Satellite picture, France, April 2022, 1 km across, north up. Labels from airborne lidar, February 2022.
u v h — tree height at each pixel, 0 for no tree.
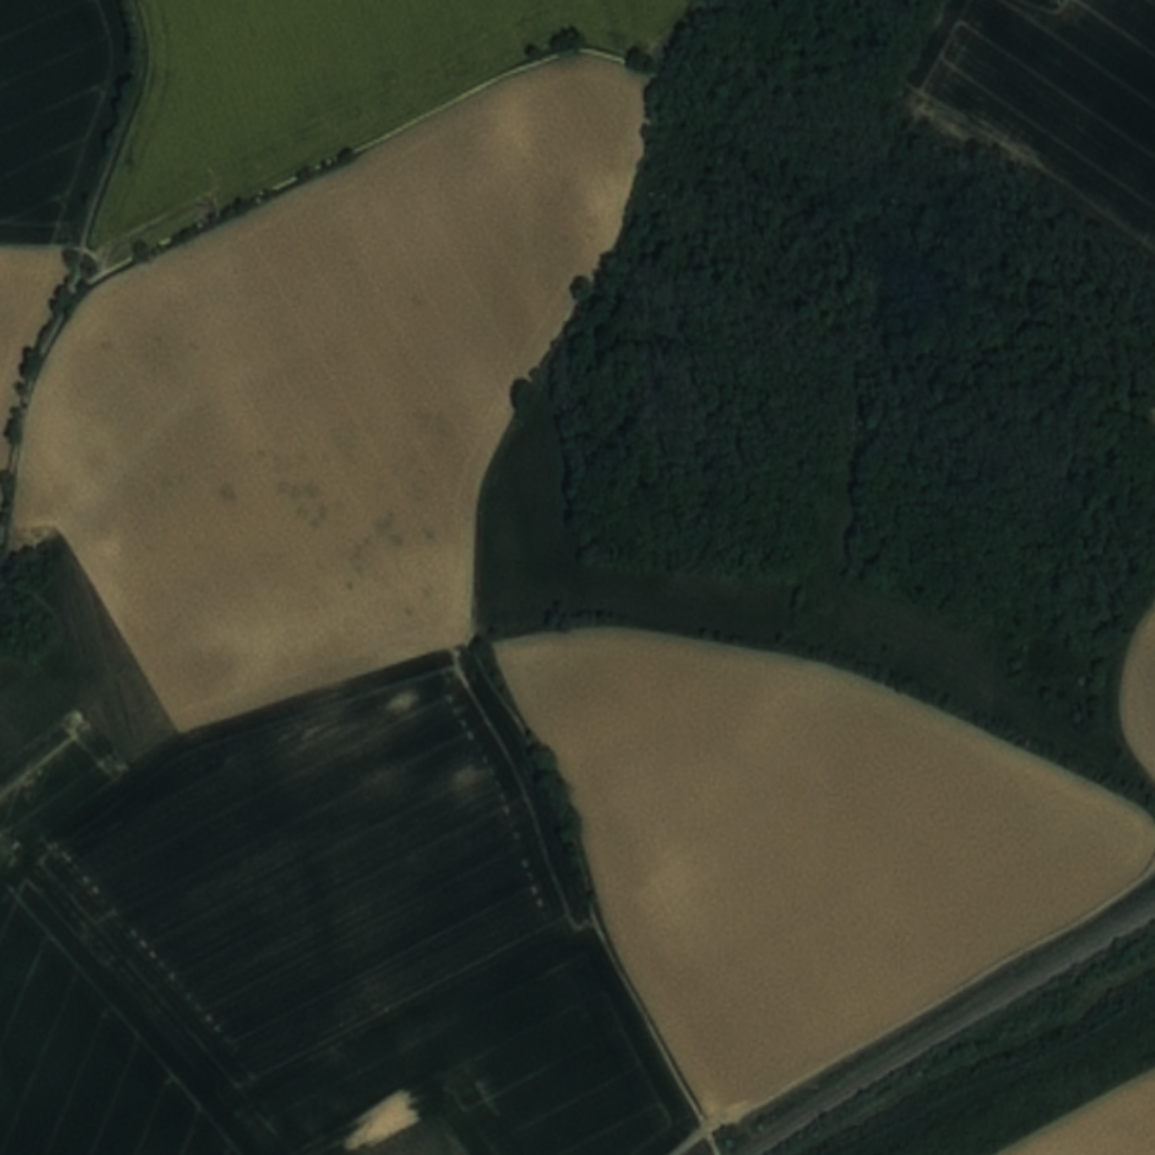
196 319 0
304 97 0
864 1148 0
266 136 0
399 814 0
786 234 10
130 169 0
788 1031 0
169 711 0
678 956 0
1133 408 12
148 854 0
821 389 32
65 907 0
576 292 11
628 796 0
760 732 0
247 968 0
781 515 21
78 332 0
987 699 0
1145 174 0
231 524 0
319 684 0
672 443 24
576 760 0
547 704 0
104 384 0
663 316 22
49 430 0
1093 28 0
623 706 0
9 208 0
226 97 0
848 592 0
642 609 0
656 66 13
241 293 0
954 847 0
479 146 0
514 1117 0
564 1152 0
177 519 0
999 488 26
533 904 0
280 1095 0
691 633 0
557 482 0
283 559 0
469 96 0
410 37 0
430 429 0
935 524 24
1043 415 25
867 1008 0
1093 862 0
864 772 0
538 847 0
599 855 0
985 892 0
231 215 7
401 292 0
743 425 17
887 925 0
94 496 0
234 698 0
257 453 0
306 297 0
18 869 0
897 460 27
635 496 25
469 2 0
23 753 0
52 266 0
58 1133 0
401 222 0
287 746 0
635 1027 0
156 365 0
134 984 0
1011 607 21
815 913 0
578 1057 0
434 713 0
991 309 27
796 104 21
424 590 0
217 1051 0
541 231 0
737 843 0
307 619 0
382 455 0
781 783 0
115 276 0
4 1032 0
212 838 0
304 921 0
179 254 0
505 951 0
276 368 0
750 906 0
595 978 0
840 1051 0
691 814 0
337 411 0
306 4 0
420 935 0
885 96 27
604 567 14
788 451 27
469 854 0
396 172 0
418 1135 0
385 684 0
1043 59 0
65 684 0
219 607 0
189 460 0
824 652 10
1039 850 0
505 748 0
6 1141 0
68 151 0
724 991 0
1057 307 18
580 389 24
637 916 0
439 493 0
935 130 19
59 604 0
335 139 0
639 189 6
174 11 0
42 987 0
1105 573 24
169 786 0
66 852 0
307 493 0
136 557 0
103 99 0
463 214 0
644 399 22
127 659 0
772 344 28
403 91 0
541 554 0
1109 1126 0
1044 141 0
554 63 0
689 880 0
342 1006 0
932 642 0
